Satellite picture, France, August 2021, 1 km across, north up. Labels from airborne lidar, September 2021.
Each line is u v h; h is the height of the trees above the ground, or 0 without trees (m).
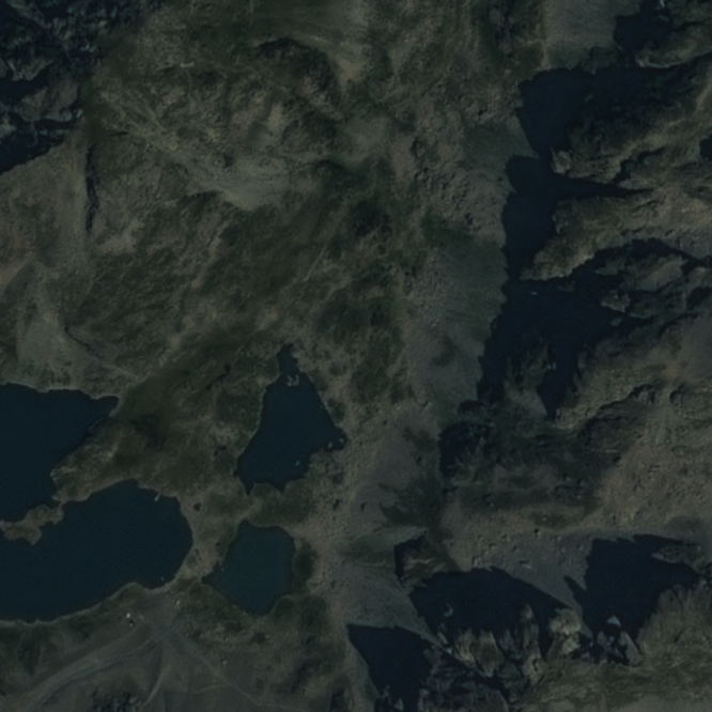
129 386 0
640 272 0
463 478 0
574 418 0
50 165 0
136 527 0
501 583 0
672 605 0
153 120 0
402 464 0
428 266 0
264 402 0
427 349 0
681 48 0
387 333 0
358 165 0
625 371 0
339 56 0
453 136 0
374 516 0
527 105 0
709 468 0
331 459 0
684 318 0
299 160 0
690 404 0
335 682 0
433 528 0
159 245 0
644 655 0
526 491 0
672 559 0
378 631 0
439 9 0
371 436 0
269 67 0
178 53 0
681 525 0
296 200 0
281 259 0
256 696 0
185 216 0
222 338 0
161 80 0
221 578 0
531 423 0
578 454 0
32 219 0
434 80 0
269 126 0
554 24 0
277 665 0
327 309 0
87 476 0
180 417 0
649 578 0
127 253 0
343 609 0
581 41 0
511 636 0
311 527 0
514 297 0
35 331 0
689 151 0
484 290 0
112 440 0
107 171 0
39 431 0
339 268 0
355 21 0
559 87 0
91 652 0
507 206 0
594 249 0
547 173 0
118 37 0
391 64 0
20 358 0
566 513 0
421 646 0
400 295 0
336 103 13
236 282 0
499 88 0
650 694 0
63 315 0
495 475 0
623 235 0
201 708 0
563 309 9
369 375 0
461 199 0
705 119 0
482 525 0
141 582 0
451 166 0
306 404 0
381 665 0
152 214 0
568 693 0
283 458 0
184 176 0
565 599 0
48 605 0
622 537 0
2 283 0
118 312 0
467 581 0
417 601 0
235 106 0
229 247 0
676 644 0
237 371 0
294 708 0
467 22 0
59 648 0
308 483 0
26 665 0
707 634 0
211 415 0
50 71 7
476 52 0
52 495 0
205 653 0
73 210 0
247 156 0
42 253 0
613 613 0
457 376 0
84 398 0
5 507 0
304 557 0
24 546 0
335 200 0
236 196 0
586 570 0
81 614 0
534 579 0
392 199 0
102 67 0
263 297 0
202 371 0
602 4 0
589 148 0
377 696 0
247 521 0
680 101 0
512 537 0
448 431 0
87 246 0
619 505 0
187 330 0
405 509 0
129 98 0
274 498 0
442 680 0
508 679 0
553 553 0
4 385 0
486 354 0
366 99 0
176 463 0
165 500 0
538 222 0
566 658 0
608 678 0
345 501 0
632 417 0
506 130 0
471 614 0
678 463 0
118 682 0
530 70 0
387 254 0
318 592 0
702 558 0
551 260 0
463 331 0
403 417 0
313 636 0
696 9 0
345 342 0
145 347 0
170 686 0
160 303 0
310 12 0
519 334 0
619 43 0
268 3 0
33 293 0
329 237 0
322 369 0
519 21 0
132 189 0
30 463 0
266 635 0
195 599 0
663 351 0
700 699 0
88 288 0
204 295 0
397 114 0
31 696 0
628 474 0
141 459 0
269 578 0
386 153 0
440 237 0
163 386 0
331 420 0
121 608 0
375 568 0
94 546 0
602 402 0
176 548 0
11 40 6
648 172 0
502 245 0
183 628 0
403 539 0
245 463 0
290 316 0
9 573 0
